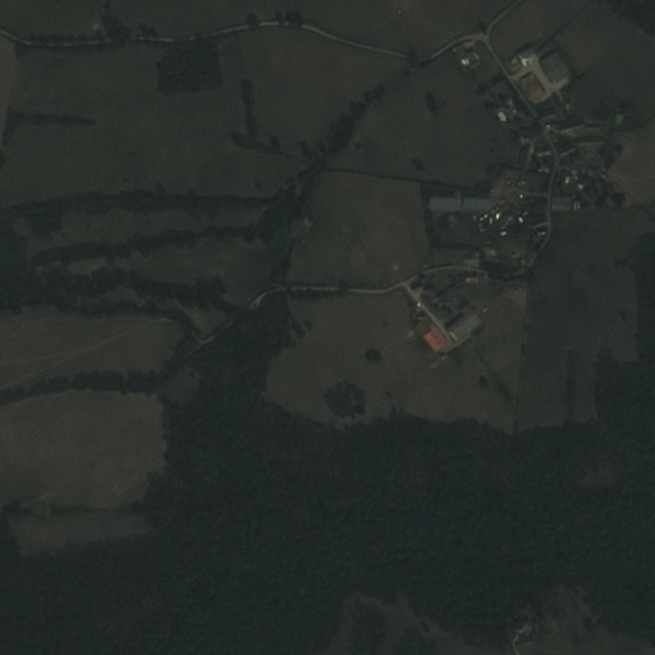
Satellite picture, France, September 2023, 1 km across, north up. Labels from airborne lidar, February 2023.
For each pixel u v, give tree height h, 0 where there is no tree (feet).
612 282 0
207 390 57
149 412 0
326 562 74
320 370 0
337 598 44
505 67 0
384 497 63
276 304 55
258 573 50
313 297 26
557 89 0
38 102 0
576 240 0
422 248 0
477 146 0
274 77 0
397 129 0
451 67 0
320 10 0
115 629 41
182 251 0
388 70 0
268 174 0
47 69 0
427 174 0
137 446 0
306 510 45
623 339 0
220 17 0
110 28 29
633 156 0
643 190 0
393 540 46
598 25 0
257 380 44
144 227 0
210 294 58
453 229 0
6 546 61
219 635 61
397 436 65
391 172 0
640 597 93
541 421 0
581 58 0
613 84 0
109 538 0
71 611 52
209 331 0
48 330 0
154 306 31
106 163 0
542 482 62
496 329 0
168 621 33
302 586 77
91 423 0
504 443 44
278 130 0
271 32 0
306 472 51
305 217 0
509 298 0
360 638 71
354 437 51
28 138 0
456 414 0
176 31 0
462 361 0
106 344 0
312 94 0
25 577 59
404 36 0
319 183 0
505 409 0
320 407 0
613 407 60
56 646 80
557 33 0
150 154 0
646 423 64
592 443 56
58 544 0
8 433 0
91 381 40
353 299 0
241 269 0
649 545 76
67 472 0
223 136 0
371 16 0
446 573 37
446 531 65
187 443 54
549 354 0
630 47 0
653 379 36
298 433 42
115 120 0
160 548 63
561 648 0
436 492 46
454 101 0
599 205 29
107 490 0
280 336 65
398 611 0
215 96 0
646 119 0
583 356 0
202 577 61
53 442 0
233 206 26
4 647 64
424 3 0
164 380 40
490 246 0
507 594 51
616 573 50
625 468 38
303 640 68
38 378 0
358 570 42
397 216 0
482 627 86
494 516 87
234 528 64
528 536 69
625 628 73
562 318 0
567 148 0
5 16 0
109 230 0
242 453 54
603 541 41
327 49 0
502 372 0
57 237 0
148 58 0
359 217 0
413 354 0
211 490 35
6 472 0
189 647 46
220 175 0
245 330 63
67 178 0
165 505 66
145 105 0
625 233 0
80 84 0
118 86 0
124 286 24
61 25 0
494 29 0
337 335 0
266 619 51
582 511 68
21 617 61
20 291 23
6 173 0
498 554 77
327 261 0
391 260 0
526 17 0
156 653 55
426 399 0
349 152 0
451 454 49
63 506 0
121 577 65
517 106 39
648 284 58
